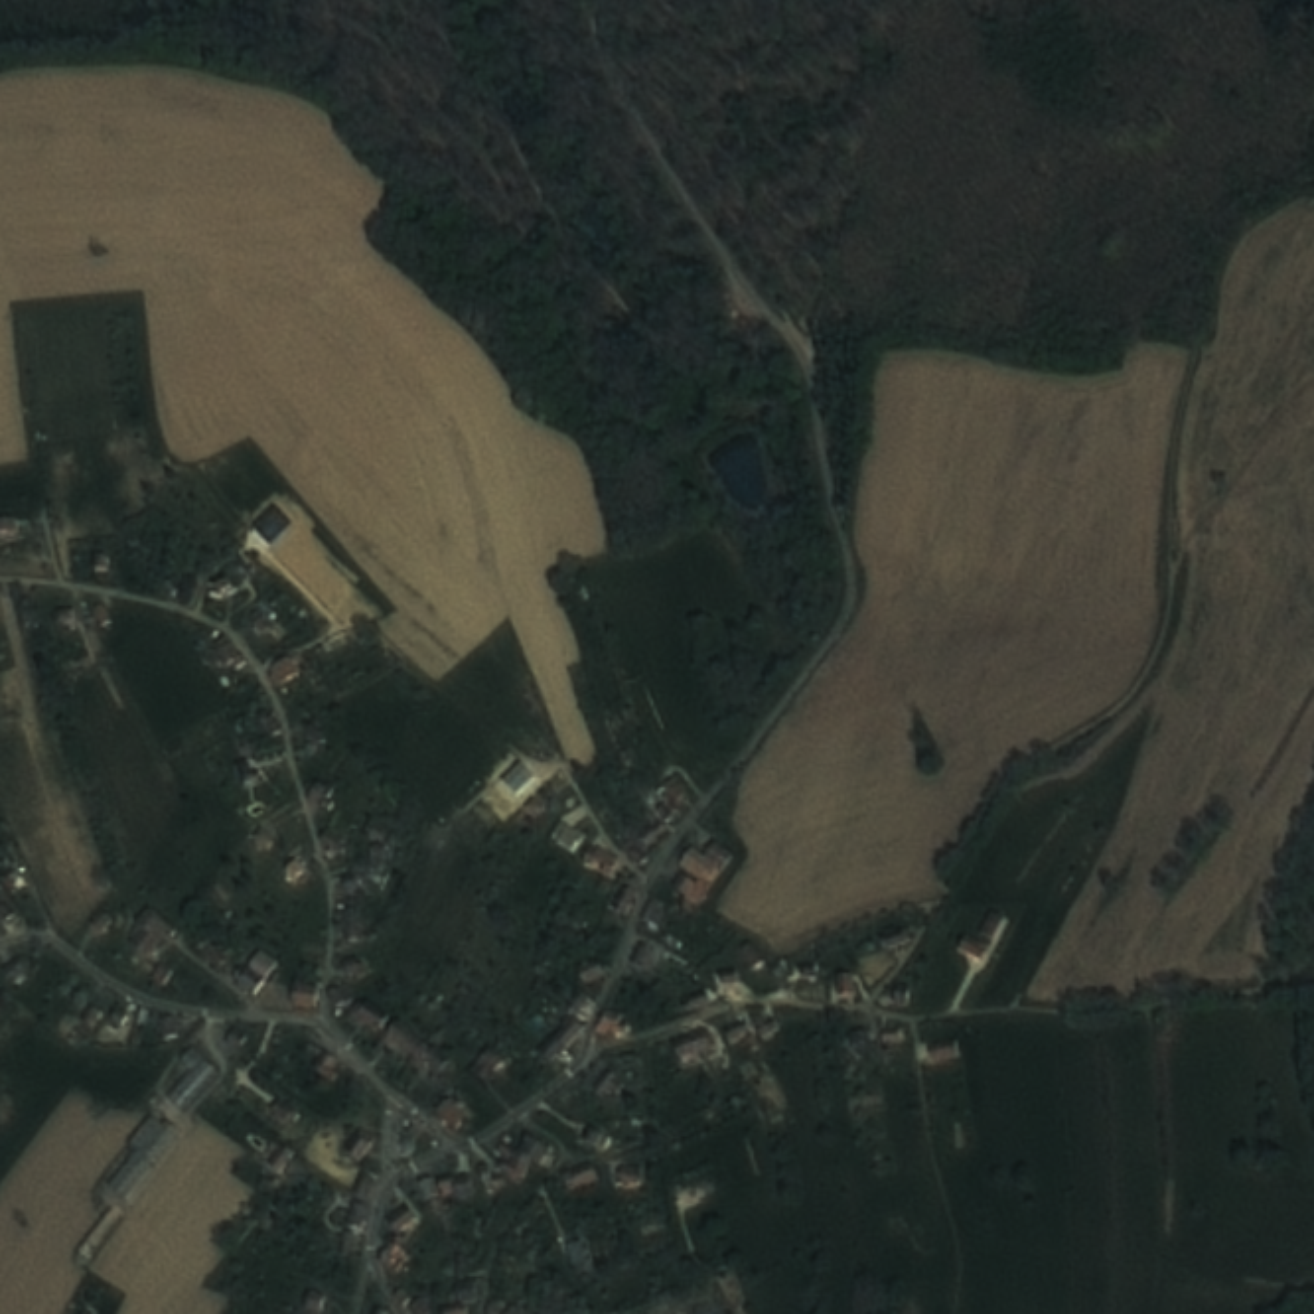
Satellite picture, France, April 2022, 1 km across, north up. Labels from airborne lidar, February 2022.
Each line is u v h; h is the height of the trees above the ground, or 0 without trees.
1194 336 17
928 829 0
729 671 16
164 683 0
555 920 11
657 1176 8
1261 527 0
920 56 15
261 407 0
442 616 0
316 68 27
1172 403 0
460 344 0
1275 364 0
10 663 0
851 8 24
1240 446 0
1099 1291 0
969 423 0
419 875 0
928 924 8
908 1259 0
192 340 0
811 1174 0
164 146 0
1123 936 0
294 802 0
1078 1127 0
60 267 0
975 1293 0
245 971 0
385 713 0
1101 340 15
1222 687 0
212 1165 0
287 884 0
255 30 32
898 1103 0
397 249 21
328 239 0
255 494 0
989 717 0
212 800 0
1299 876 22
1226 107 14
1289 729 0
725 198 21
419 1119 0
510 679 0
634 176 29
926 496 0
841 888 0
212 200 0
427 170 30
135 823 0
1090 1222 0
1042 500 0
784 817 0
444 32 31
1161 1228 0
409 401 0
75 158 0
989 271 15
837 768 0
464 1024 17
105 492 0
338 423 0
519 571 0
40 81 0
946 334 17
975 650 0
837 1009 7
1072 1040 0
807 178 27
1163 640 0
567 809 0
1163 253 16
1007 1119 0
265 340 0
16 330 0
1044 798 0
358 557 0
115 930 0
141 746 0
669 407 28
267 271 0
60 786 0
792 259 26
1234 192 15
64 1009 0
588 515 0
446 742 0
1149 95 16
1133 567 0
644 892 0
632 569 0
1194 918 0
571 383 27
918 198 16
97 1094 0
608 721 0
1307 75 13
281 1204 11
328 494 0
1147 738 0
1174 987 20
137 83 0
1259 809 0
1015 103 14
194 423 0
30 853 0
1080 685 0
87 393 0
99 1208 0
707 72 24
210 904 10
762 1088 0
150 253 0
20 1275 0
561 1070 0
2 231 0
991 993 0
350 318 0
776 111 10
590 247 11
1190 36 17
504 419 0
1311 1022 21
